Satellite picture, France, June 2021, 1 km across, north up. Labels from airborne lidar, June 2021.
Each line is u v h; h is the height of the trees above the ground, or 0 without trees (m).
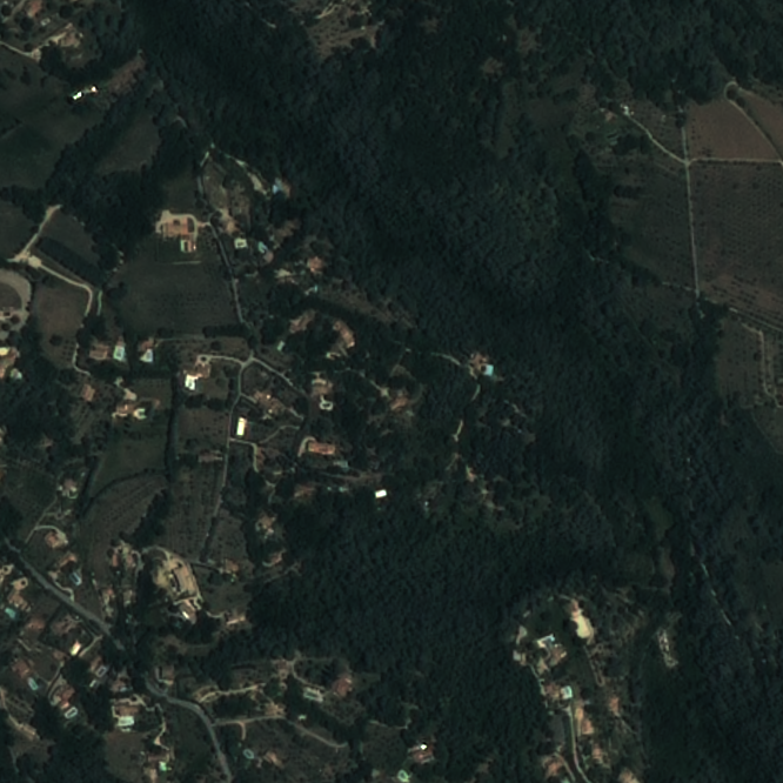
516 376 17
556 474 19
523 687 14
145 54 10
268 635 17
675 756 7
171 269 0
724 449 13
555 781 15
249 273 10
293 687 13
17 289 0
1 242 0
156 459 0
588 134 7
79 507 8
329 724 14
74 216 13
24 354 14
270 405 0
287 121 10
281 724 9
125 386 7
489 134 17
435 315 12
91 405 15
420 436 7
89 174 16
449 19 13
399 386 13
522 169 15
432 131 14
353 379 9
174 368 11
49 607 0
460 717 14
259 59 14
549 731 10
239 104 19
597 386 17
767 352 0
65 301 0
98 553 0
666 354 16
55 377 19
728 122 0
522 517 8
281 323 13
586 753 8
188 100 17
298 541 17
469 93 13
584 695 12
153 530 17
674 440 16
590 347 10
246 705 15
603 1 13
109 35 12
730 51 18
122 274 0
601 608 12
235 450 6
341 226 22
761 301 0
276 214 14
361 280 14
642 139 11
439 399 13
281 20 21
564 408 13
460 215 19
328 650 20
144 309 0
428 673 10
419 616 19
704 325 12
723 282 0
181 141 12
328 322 12
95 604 0
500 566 8
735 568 15
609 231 16
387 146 13
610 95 11
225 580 8
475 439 15
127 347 6
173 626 10
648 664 5
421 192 20
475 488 13
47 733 13
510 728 17
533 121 15
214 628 15
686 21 14
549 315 20
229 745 15
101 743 18
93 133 12
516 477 18
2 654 7
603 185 13
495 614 19
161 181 9
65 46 0
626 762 9
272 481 7
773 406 7
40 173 0
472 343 18
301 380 10
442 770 16
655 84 10
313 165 18
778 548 8
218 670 10
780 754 19
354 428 13
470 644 17
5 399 8
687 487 20
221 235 7
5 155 0
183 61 21
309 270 7
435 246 15
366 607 21
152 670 10
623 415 13
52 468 13
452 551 15
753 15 10
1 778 12
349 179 27
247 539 12
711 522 7
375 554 20
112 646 10
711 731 13
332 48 6
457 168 13
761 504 10
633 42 19
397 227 20
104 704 13
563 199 16
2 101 0
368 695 9
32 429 17
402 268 14
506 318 21
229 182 9
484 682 16
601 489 12
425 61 12
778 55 15
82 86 13
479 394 7
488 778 17
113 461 0
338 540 17
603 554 14
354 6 10
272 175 14
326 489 15
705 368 18
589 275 13
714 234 0
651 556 9
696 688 6
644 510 12
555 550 11
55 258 17
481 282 23
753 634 16
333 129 23
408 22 13
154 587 13
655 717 12
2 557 9
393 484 11
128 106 13
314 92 14
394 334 13
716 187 0
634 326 7
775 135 0
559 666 11
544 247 20
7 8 15
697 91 14
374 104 14
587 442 19
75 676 14
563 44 11
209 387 0
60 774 17
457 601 11
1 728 12
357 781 14
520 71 11
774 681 16
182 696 7
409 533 14
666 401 12
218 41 12
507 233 13
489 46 15
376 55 19
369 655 17
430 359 11
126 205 21
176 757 8
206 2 17
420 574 11
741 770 21
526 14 16
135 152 0
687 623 17
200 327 0
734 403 16
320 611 9
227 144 15
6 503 10
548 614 12
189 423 0
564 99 11
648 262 0
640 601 12
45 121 0
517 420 15
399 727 12
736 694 18
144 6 18
